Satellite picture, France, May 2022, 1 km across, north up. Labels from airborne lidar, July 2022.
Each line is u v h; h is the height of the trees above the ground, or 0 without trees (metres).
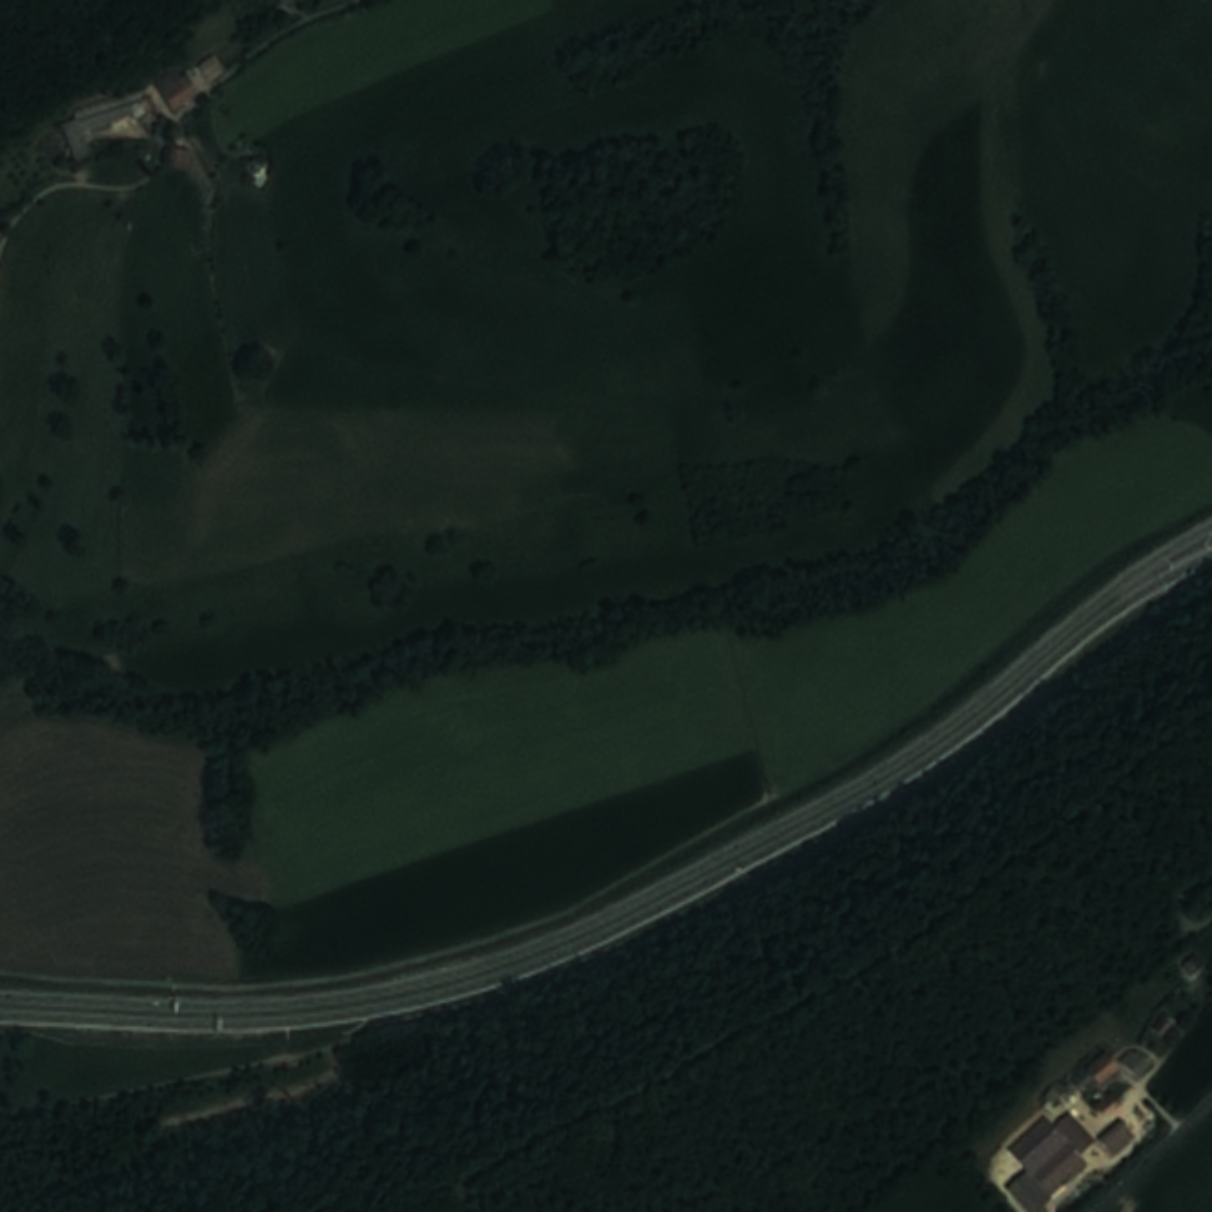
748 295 0
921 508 0
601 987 23
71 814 0
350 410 0
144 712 19
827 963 23
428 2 0
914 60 0
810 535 0
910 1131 19
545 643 21
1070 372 14
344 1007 0
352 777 0
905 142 0
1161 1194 0
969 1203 0
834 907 32
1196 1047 0
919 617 0
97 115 0
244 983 0
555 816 0
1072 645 0
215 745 28
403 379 0
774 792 0
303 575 0
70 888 0
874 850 28
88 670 25
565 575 0
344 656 0
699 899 0
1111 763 19
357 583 0
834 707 0
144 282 0
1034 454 26
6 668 25
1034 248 16
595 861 0
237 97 0
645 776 0
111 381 0
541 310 0
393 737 0
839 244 11
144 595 0
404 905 0
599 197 14
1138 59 0
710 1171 16
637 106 0
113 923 0
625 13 0
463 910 0
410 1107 24
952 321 0
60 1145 15
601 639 26
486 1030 31
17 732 0
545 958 0
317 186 0
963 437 0
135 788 0
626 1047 26
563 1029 28
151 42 13
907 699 0
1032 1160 0
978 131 0
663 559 0
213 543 0
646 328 0
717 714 0
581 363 0
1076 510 0
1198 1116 0
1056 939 20
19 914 0
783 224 0
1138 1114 0
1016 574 0
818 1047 16
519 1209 16
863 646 0
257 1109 18
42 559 0
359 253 0
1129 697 19
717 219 8
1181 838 20
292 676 23
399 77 0
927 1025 14
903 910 25
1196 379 21
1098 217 0
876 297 0
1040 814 23
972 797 26
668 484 0
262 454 0
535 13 0
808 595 27
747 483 9
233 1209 26
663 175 24
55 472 0
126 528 0
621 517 0
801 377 0
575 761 0
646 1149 16
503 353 0
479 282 0
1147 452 0
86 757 0
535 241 0
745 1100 16
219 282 0
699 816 0
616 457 0
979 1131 20
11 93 19
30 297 0
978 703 0
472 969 0
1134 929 19
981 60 0
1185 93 0
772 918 31
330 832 0
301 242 0
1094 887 19
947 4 0
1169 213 0
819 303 0
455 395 0
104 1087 0
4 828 0
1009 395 0
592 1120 14
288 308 0
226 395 0
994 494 31
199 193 0
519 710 0
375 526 0
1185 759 22
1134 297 0
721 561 0
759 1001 18
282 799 0
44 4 17
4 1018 0
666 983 27
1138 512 0
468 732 0
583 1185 15
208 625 17
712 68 0
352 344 0
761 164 0
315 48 0
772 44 18
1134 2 0
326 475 0
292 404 0
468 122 0
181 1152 27
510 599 0
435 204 0
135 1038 0
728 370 0
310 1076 0
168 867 0
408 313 0
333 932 0
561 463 0
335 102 0
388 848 0
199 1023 0
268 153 7
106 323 0
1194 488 0
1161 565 0
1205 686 8
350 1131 32
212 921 0
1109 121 0
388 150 0
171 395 14
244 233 0
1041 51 0
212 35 0
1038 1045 17
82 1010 0
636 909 0
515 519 0
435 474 0
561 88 0
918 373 0
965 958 14
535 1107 20
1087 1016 18
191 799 0
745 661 0
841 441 0
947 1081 19
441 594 0
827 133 17
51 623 8
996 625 0
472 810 0
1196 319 14
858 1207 18
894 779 0
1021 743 21
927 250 0
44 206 8
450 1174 21
